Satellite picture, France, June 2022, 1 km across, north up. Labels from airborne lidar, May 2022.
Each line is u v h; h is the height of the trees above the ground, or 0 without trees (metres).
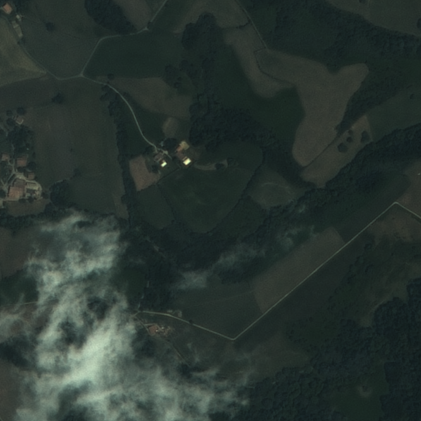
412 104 0
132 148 0
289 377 10
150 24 11
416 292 27
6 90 0
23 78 0
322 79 0
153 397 9
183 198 0
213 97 22
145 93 0
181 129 0
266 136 27
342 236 0
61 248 0
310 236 0
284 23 19
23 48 0
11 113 12
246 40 0
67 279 0
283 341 0
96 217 21
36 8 0
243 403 24
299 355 0
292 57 0
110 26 19
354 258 0
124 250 13
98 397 0
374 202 0
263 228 18
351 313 0
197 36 13
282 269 0
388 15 0
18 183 0
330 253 0
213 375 11
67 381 0
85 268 0
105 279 0
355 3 0
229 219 10
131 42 0
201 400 24
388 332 36
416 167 0
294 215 19
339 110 0
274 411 22
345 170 16
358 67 0
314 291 0
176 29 0
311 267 0
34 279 0
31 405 0
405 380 27
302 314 0
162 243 21
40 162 0
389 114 0
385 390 0
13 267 0
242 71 0
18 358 16
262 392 21
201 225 0
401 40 23
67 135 0
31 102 0
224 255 25
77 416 29
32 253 0
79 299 0
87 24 0
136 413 0
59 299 0
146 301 12
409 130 15
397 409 33
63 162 0
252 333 0
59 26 0
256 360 0
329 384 21
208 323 0
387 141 16
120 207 0
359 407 0
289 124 0
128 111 0
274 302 0
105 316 26
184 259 19
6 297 0
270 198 0
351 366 31
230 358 0
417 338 12
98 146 0
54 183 0
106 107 0
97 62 0
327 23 6
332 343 7
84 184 0
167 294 17
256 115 0
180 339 0
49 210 19
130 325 29
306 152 0
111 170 0
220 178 0
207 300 0
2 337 0
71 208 25
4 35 0
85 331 18
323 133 0
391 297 0
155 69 0
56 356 14
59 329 22
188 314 0
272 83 0
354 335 20
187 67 19
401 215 0
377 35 12
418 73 0
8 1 10
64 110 0
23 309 0
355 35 8
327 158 0
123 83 0
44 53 0
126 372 0
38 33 0
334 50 21
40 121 0
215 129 12
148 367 27
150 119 0
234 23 0
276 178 0
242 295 0
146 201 0
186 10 0
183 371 9
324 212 6
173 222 10
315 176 0
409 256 0
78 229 17
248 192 10
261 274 0
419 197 0
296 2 8
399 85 8
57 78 0
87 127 0
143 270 13
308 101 0
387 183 0
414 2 0
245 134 23
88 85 0
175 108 0
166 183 0
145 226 19
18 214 0
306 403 26
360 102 8
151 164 0
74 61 0
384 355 27
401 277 0
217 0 0
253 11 7
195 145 12
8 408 0
